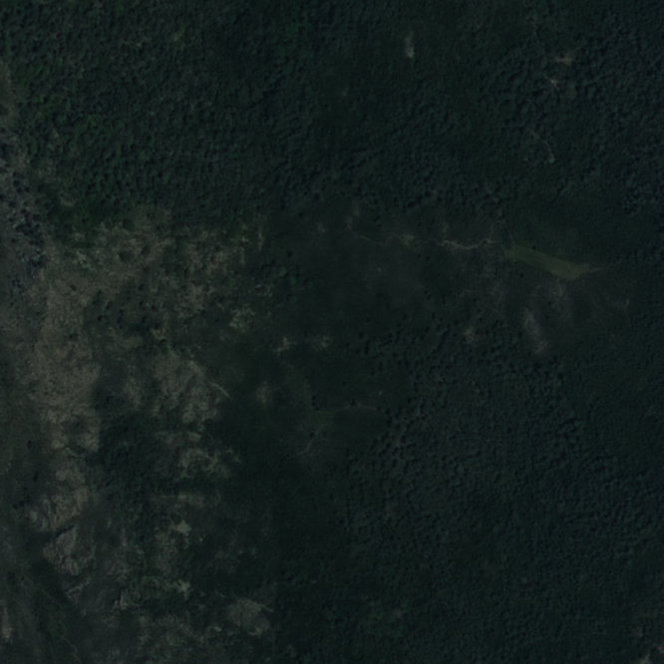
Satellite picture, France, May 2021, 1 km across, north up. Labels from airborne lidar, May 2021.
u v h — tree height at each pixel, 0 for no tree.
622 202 6
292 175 16
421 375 15
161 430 8
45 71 11
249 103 9
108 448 10
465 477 13
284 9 15
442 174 26
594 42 26
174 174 13
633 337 8
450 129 19
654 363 9
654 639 9
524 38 20
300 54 21
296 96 23
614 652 12
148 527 14
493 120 18
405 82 12
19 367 0
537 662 11
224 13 13
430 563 10
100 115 15
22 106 18
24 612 0
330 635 15
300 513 6
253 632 7
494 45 17
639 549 11
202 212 11
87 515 0
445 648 19
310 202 19
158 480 9
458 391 20
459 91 17
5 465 0
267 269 16
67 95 9
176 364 0
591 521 11
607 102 23
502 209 8
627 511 17
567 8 14
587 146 16
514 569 14
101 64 7
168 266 9
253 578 5
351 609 8
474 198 20
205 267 10
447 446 16
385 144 16
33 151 19
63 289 0
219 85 10
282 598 13
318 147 15
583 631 11
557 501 13
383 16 18
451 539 15
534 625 15
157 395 12
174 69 8
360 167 27
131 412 8
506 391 21
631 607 12
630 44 13
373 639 17
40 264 8
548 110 19
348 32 20
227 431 7
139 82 17
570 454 19
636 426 7
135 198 15
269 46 15
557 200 8
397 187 9
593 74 18
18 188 10
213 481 6
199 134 14
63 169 9
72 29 14
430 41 9
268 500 8
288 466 9
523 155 14
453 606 15
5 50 20
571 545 10
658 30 12
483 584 16
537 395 19
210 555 6
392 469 13
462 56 15
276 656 13
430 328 13
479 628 17
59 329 0
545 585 10
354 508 17
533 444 15
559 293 0
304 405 6
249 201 16
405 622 12
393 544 10
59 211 12
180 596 11
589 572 12
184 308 9
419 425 19
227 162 6
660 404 6
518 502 10
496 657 13
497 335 18
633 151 17
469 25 19
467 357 16
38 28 14
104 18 14
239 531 6
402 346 17
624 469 11
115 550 0
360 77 12
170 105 20
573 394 10
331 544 6
